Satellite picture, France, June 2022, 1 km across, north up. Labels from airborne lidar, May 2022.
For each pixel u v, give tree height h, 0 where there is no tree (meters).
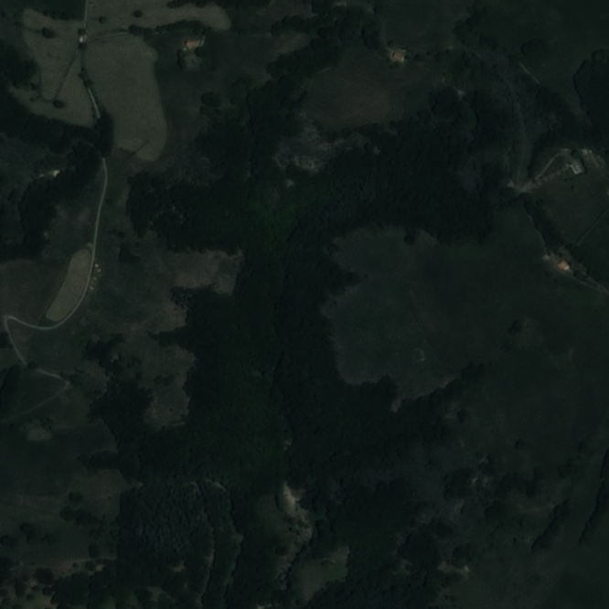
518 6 0
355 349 0
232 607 23
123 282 0
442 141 14
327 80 0
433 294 0
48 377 0
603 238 0
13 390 16
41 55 0
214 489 18
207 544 13
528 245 0
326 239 16
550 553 0
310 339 16
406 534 8
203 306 23
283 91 17
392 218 16
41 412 0
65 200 10
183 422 10
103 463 22
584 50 0
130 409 20
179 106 0
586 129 9
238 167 17
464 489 8
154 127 0
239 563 22
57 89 0
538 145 8
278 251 22
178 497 13
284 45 0
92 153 13
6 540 18
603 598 0
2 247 12
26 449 0
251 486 18
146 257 0
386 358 0
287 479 10
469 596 0
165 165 0
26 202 11
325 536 24
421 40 0
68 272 0
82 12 0
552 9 0
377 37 9
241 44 0
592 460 0
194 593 9
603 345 0
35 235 10
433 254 0
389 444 21
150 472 24
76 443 0
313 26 11
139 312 0
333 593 12
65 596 18
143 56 0
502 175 7
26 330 0
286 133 8
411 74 0
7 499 0
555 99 17
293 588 31
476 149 9
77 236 0
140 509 20
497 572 0
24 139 10
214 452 17
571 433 0
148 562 16
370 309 0
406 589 19
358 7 0
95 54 0
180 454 19
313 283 19
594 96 15
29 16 0
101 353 10
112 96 0
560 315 0
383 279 0
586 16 0
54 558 0
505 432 0
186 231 18
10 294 0
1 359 0
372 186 17
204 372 13
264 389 26
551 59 0
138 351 0
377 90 0
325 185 15
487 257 0
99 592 18
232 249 17
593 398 0
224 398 23
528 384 0
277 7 0
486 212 10
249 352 15
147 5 0
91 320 0
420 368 0
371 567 21
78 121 0
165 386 8
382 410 18
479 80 0
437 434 11
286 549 10
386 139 16
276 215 11
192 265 0
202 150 9
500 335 0
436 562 15
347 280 16
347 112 0
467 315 0
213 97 15
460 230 13
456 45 0
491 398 0
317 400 16
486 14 10
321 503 18
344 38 14
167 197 17
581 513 0
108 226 0
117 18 0
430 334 0
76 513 11
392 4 0
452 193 17
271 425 23
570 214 0
